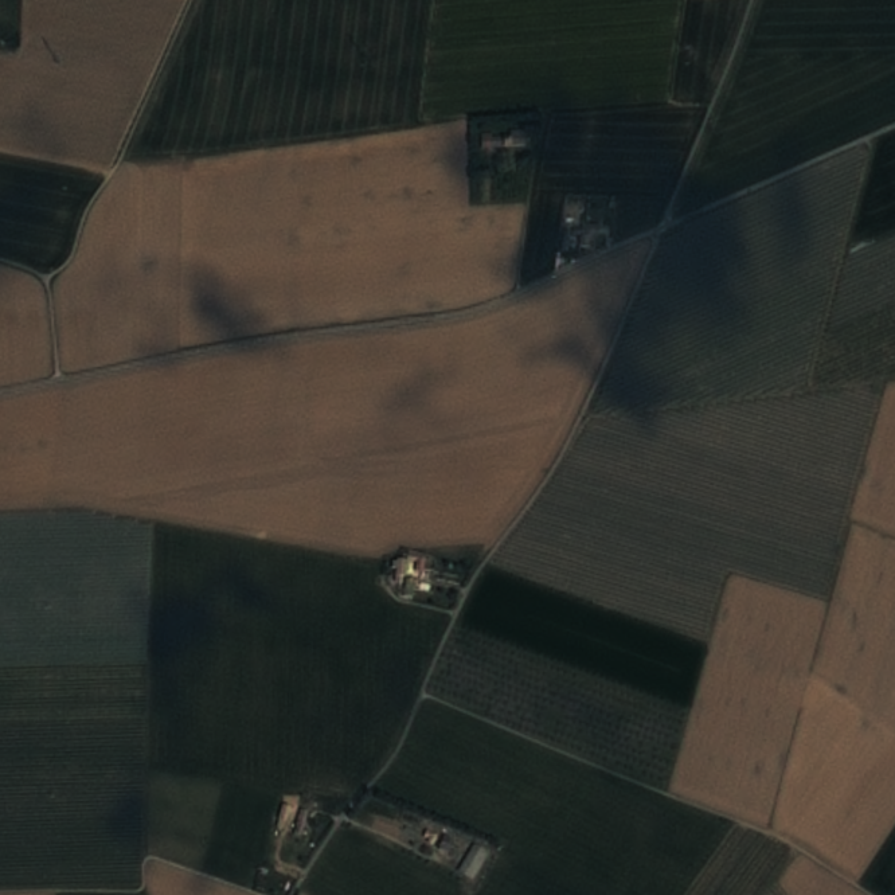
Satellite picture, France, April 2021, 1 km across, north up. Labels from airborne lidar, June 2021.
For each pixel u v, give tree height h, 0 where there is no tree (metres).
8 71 0
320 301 0
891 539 0
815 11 0
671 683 0
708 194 0
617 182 0
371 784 0
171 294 0
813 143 0
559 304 0
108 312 0
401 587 10
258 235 0
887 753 0
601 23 0
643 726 5
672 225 0
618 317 0
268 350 0
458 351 0
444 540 0
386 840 0
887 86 0
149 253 0
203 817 0
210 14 0
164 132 0
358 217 0
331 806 7
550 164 0
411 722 0
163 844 0
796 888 0
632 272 0
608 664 0
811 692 0
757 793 0
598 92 0
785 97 0
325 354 0
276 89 0
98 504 0
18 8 0
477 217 0
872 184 0
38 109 0
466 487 0
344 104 0
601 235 0
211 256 0
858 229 0
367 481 0
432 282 0
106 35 0
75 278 0
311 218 0
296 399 0
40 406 0
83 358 0
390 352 0
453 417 0
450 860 0
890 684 0
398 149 0
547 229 0
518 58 0
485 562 0
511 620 0
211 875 0
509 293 0
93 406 0
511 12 0
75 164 0
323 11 0
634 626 0
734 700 0
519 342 0
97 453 0
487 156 0
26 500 0
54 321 0
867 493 0
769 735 0
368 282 0
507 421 0
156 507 0
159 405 0
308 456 0
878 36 0
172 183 0
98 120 0
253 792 0
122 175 0
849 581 0
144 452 0
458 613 0
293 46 0
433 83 0
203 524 0
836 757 0
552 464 0
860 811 0
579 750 7
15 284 0
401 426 0
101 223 0
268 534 0
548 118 0
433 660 0
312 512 0
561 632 0
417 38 0
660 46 0
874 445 0
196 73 0
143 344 0
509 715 7
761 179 0
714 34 0
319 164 0
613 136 0
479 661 7
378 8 0
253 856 0
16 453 0
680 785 0
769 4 0
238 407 0
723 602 0
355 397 0
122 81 0
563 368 0
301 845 0
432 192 0
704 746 0
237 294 0
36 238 0
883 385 0
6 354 0
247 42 0
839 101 0
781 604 0
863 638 0
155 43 0
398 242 0
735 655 0
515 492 0
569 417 0
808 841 0
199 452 0
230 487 0
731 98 0
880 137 0
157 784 0
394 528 0
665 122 0
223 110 0
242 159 0
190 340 0
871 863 0
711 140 0
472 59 0
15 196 0
